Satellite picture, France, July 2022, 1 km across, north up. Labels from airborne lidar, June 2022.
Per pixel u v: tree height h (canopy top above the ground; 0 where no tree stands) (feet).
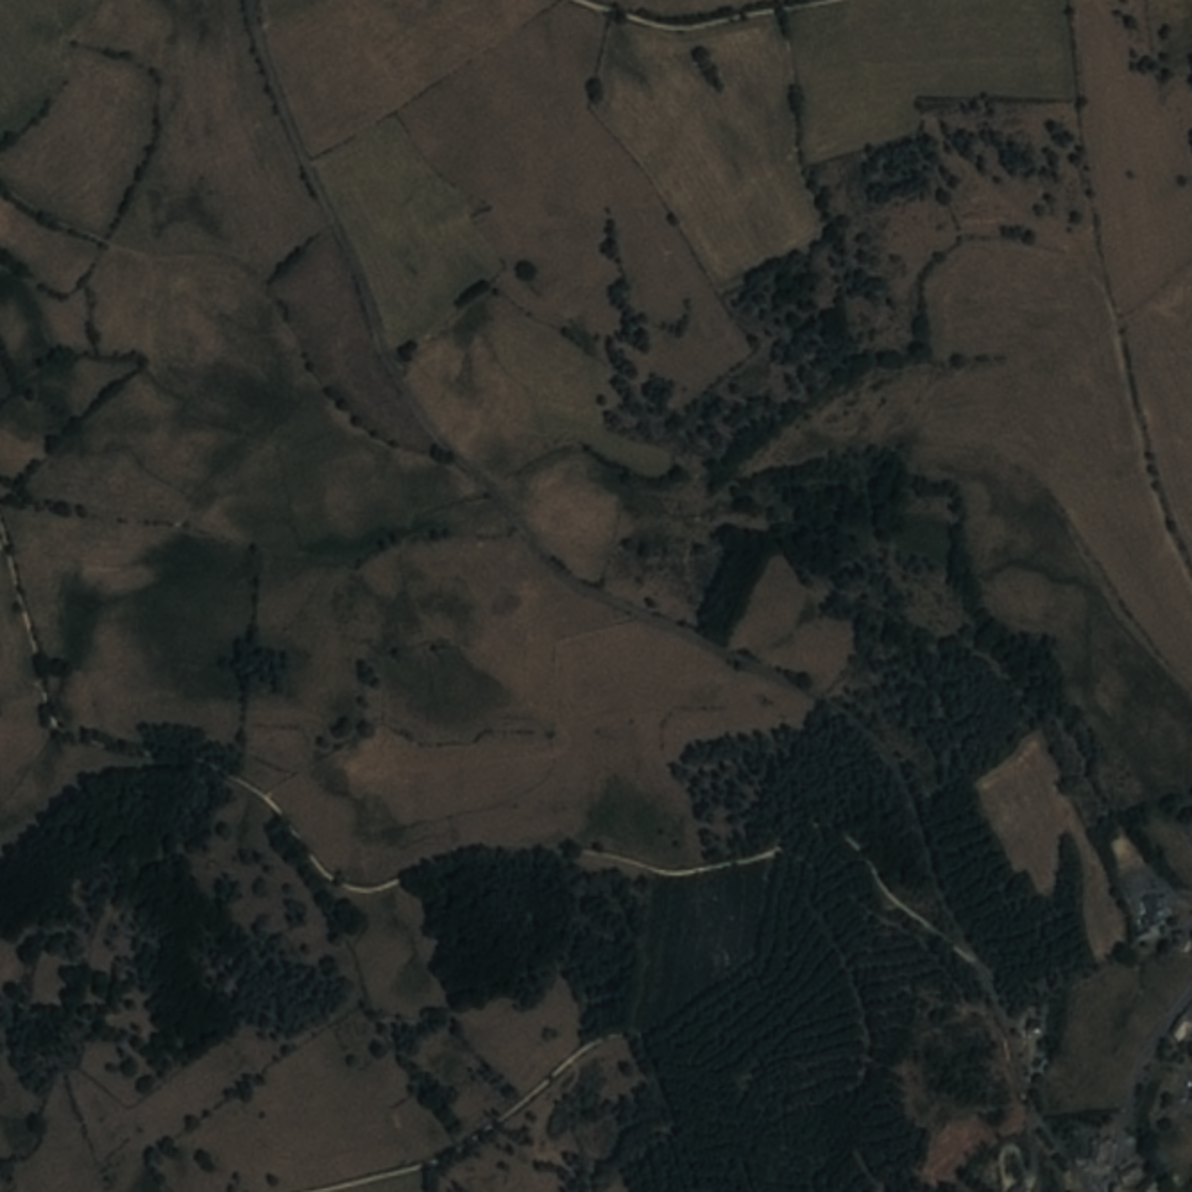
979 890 53
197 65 0
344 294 0
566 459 0
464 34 0
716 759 55
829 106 0
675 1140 51
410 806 0
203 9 0
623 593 0
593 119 0
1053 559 0
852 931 44
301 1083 0
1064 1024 27
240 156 0
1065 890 48
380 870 0
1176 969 0
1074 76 0
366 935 0
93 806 60
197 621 0
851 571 23
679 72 0
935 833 67
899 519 25
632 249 0
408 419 0
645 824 0
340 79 0
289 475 0
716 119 0
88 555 0
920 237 0
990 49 0
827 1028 46
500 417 0
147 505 0
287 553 0
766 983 46
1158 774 0
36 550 0
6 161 0
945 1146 0
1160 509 0
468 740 0
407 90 0
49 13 0
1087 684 0
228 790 23
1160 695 0
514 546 0
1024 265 0
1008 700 51
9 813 0
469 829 0
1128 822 34
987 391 0
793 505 45
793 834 60
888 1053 50
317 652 0
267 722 0
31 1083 42
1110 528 0
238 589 0
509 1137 43
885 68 0
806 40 0
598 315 0
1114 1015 0
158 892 51
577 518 0
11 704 0
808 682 43
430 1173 49
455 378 0
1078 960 46
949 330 0
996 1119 29
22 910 59
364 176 0
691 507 0
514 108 0
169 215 0
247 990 57
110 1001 34
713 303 0
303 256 29
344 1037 0
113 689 0
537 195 0
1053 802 0
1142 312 0
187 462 0
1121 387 0
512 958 60
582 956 49
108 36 0
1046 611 0
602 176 0
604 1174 48
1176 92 0
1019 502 0
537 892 44
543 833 0
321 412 0
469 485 0
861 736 55
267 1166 0
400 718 0
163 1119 0
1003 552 0
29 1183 0
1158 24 0
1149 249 0
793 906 42
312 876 45
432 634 0
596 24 0
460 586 0
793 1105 51
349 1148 0
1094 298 0
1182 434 0
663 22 22
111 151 0
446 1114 41
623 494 0
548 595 0
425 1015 28
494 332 0
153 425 0
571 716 0
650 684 0
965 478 0
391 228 0
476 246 0
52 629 0
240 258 0
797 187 0
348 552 0
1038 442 0
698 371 0
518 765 0
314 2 0
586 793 0
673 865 0
